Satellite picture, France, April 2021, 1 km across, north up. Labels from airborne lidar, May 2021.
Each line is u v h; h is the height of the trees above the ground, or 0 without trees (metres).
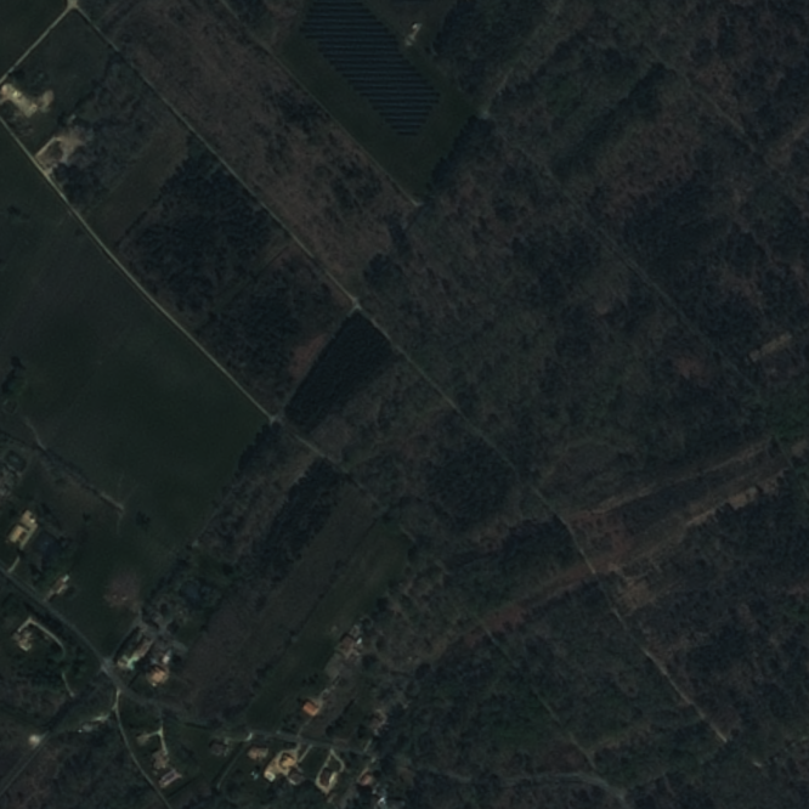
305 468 0
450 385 17
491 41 21
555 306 16
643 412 12
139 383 0
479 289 14
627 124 14
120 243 6
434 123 0
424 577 18
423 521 17
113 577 0
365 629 6
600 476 13
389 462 9
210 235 9
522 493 15
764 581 14
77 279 0
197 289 8
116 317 0
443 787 24
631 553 0
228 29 5
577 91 20
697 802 21
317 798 15
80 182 14
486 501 17
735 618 7
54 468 18
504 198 17
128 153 20
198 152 17
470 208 12
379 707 0
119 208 0
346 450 14
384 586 0
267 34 15
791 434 18
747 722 19
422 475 12
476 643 0
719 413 8
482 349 17
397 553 0
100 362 0
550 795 11
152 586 0
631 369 18
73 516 0
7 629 0
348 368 11
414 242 11
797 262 14
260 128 9
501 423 16
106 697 13
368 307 12
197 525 0
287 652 0
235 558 14
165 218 11
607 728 18
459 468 13
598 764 8
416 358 16
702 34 17
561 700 16
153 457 0
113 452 0
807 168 11
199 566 0
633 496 0
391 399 8
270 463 13
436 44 0
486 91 20
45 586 18
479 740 15
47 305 0
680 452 14
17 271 0
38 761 0
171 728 20
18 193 0
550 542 30
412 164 0
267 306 9
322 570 0
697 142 9
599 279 14
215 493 0
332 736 8
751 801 19
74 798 21
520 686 23
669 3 23
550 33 18
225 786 0
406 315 18
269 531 10
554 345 13
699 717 18
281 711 0
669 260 14
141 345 0
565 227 14
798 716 20
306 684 6
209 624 9
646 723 18
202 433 0
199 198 20
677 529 0
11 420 0
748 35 9
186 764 19
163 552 0
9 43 0
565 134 20
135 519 0
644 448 19
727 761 21
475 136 21
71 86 0
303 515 11
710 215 12
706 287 17
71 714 20
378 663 15
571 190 13
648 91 17
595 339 19
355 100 0
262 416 0
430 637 8
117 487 0
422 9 0
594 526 9
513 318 20
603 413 22
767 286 13
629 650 14
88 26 13
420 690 17
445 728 15
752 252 20
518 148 14
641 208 12
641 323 17
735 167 9
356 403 12
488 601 19
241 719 16
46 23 0
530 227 13
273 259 0
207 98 0
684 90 21
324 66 0
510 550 14
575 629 18
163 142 0
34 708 8
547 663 15
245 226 21
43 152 0
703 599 7
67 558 19
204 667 0
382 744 8
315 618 0
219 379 0
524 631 14
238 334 6
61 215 0
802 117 18
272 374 7
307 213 0
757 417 20
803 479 18
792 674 15
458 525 13
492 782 22
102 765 15
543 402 11
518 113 11
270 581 8
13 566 0
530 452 16
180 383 0
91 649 0
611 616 9
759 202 11
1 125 0
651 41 17
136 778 11
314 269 8
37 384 0
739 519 21
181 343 0
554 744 13
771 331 6
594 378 14
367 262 0
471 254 9
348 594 0
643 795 20
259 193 7
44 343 0
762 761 14
